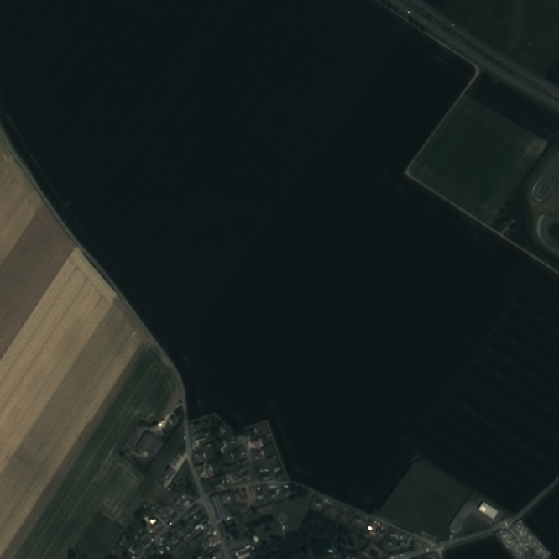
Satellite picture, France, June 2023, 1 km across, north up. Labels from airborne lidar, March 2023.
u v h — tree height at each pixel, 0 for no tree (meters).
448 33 0
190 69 0
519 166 0
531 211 0
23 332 0
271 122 0
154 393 0
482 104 0
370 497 0
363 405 0
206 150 0
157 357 0
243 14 0
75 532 0
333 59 0
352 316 0
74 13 0
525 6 0
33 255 0
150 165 0
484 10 0
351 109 0
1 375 0
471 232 0
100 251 0
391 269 0
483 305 0
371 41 0
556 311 0
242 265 0
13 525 0
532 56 0
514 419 0
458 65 0
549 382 0
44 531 0
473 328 0
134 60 0
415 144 0
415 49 0
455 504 0
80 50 0
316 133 0
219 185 0
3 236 0
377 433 0
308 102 0
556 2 0
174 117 0
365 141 0
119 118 0
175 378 0
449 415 0
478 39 0
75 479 0
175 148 0
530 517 0
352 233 0
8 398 0
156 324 0
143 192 0
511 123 0
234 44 0
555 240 0
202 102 0
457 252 0
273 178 0
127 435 0
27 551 0
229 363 0
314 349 0
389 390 0
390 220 0
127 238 0
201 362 0
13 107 0
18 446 0
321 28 0
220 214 0
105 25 0
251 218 0
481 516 0
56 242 0
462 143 0
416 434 0
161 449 7
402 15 0
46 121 0
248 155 0
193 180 0
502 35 0
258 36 0
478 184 0
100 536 0
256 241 0
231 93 0
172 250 0
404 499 0
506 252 0
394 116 0
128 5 0
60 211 0
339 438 0
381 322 0
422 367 0
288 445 0
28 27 0
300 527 0
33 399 0
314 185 0
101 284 0
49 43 0
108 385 0
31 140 0
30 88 0
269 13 0
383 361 0
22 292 0
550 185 0
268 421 0
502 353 0
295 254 0
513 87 0
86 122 0
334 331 0
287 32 0
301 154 0
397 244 0
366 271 0
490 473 0
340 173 0
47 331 0
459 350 0
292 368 0
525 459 0
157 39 0
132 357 0
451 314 0
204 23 0
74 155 0
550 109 0
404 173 0
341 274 0
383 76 0
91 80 0
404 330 0
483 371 0
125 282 0
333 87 0
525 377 0
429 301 0
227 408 0
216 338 0
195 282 0
